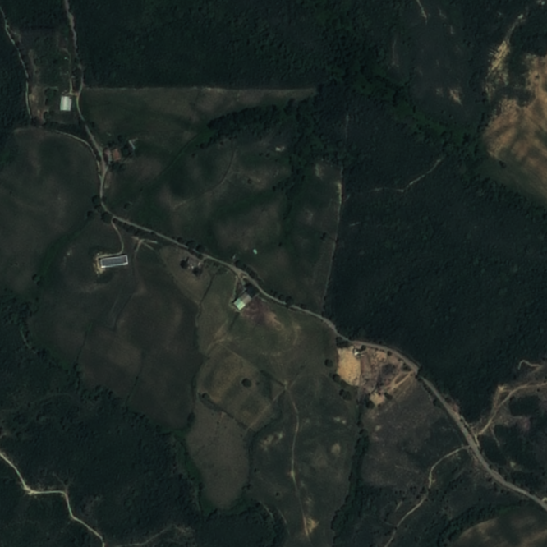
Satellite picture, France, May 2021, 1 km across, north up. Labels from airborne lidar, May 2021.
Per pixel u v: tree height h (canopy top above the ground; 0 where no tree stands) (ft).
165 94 0
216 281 0
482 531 0
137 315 0
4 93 28
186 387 0
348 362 0
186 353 0
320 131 21
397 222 25
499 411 0
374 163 21
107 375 0
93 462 23
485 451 18
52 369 23
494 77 0
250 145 0
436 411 0
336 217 0
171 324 0
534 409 22
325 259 0
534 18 22
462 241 17
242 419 0
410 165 24
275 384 0
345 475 0
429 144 43
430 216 22
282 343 0
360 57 56
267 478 0
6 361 27
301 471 0
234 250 0
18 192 0
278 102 0
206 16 40
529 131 0
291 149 23
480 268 23
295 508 0
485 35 26
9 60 24
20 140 0
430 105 0
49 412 37
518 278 28
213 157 0
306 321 0
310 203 0
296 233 0
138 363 0
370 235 19
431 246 23
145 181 0
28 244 0
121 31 17
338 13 18
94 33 24
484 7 23
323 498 0
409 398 0
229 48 37
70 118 0
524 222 22
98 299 0
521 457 21
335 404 0
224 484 0
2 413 0
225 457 0
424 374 35
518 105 0
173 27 18
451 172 27
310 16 22
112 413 24
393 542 20
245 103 0
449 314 17
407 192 18
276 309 0
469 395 26
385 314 23
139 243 0
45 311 0
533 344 25
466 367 24
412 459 0
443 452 0
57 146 0
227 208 0
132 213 0
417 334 19
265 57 32
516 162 0
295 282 0
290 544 0
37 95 0
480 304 19
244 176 0
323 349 0
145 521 23
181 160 0
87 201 0
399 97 58
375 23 23
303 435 0
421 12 0
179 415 0
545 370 0
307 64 35
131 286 0
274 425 0
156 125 0
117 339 0
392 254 27
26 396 0
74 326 0
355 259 27
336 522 39
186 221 0
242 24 17
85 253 0
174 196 0
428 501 24
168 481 31
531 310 33
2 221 0
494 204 27
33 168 0
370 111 27
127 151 34
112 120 0
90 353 0
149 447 29
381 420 0
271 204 0
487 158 22
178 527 22
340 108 38
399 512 0
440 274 20
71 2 27
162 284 0
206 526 19
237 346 0
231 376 0
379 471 0
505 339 19
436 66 0
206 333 0
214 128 70
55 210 0
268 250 0
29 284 0
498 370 20
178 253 0
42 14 52
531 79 0
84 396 36
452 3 30
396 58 0
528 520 0
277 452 0
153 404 0
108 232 0
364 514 23
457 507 0
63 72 0
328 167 0
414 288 27
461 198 23
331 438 0
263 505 43
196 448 0
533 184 0
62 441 28
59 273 0
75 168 0
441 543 37
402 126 34
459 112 0
